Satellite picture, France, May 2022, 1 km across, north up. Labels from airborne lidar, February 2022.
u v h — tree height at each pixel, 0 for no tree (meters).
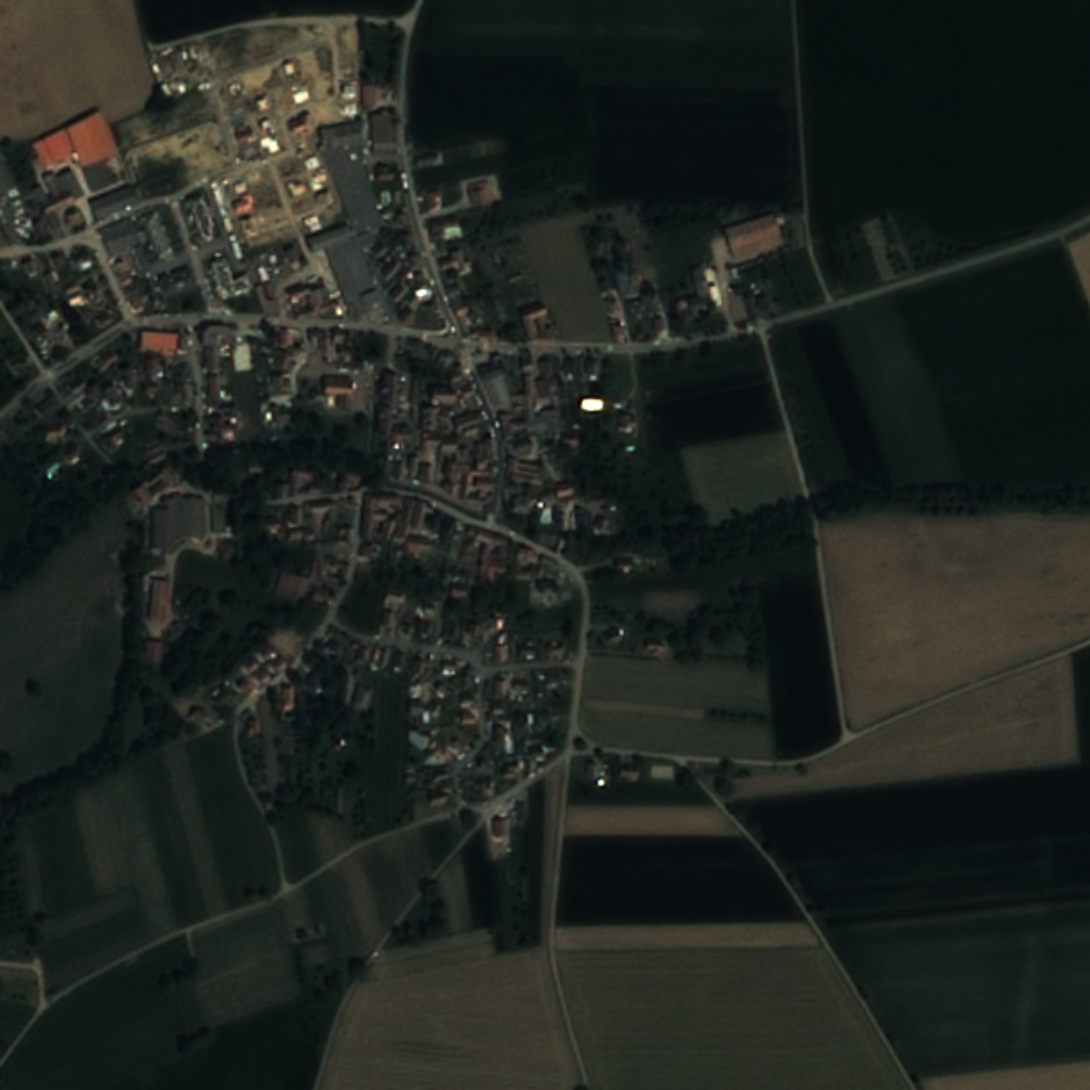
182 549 0
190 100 0
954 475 0
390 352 0
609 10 0
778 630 0
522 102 0
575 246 0
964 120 0
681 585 0
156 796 0
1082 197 0
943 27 0
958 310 0
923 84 0
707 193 0
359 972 13
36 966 0
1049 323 0
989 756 0
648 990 0
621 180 0
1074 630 0
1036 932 0
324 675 14
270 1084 0
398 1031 0
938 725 0
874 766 0
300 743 6
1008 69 0
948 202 0
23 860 0
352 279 0
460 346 0
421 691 0
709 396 0
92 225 0
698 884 0
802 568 0
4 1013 0
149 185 0
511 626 0
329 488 0
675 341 0
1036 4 0
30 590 0
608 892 0
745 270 7
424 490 0
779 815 0
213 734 0
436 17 0
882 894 0
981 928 0
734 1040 0
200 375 0
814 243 0
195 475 14
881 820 0
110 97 0
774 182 0
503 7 0
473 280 0
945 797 0
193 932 0
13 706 0
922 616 0
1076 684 0
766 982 0
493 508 0
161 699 7
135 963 0
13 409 0
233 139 0
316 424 15
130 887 0
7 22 0
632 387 0
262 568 10
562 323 0
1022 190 0
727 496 0
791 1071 0
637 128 0
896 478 0
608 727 0
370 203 0
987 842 0
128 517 0
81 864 0
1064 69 0
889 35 0
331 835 0
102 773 13
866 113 0
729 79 0
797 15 0
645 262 0
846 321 0
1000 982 0
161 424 0
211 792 0
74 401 0
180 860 0
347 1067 0
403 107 0
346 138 0
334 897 0
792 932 0
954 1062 0
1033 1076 0
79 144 0
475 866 0
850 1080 0
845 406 0
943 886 0
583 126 0
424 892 11
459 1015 0
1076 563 0
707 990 0
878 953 0
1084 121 0
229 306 0
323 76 0
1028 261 0
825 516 12
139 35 0
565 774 0
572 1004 0
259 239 0
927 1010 0
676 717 0
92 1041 0
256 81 0
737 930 0
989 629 0
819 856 0
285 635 0
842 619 0
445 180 0
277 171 0
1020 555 0
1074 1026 0
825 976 0
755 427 0
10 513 0
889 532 0
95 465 0
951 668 0
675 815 0
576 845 0
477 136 0
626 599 0
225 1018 0
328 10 0
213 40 0
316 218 0
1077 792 0
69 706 0
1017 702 0
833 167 0
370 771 0
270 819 8
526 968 0
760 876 0
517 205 0
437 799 7
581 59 0
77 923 0
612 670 0
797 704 0
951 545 0
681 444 0
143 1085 0
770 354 0
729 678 0
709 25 0
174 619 0
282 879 0
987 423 0
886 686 0
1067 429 0
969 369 0
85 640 0
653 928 0
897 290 0
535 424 0
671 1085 0
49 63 0
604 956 0
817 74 0
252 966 0
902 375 0
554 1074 0
